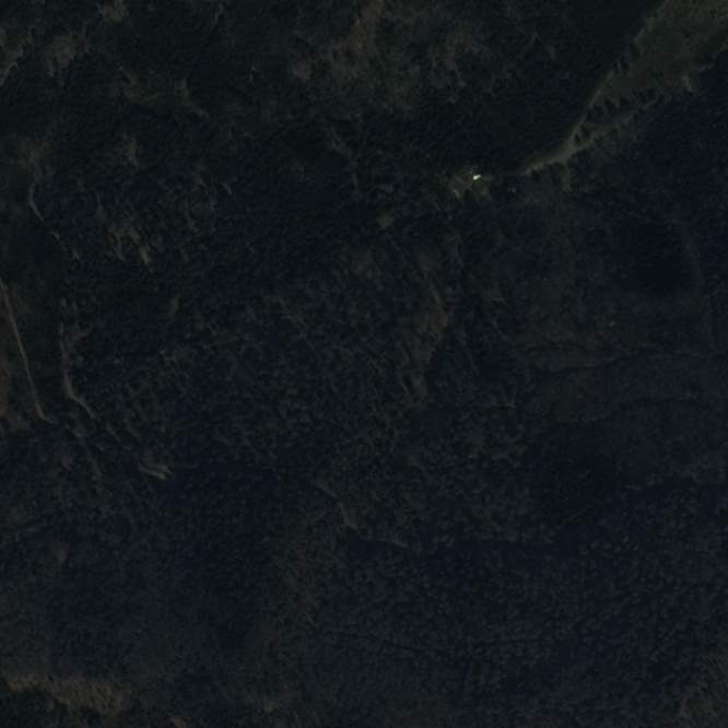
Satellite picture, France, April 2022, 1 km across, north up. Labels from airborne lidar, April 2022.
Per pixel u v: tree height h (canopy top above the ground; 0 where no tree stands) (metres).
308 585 35
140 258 32
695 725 17
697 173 21
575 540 11
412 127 23
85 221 36
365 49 15
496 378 15
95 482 39
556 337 15
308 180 23
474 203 13
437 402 9
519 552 18
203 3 23
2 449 37
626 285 17
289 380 38
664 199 26
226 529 37
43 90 23
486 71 21
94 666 20
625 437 14
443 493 34
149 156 31
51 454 29
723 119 20
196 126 27
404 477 31
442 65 14
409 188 25
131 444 30
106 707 6
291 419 35
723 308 23
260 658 28
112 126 22
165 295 19
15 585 26
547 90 23
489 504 37
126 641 23
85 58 21
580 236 18
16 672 14
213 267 20
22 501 26
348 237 13
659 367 16
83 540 40
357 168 10
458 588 36
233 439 35
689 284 17
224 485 32
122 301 22
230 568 33
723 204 25
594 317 13
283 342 41
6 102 29
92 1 22
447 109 24
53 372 13
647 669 23
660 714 16
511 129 23
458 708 30
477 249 14
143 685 11
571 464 12
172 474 0
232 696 15
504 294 15
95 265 26
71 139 27
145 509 39
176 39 23
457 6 20
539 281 17
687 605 18
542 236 21
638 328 14
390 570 38
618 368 14
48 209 33
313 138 13
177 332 39
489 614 33
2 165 23
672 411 17
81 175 27
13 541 31
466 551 44
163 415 33
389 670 34
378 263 18
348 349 36
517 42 20
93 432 35
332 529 33
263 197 33
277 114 26
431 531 13
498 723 9
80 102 27
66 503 29
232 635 31
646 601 6
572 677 32
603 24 16
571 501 12
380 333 44
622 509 20
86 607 24
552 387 18
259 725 20
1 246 18
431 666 31
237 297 30
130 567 30
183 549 31
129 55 26
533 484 13
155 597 32
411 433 26
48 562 29
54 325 12
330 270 10
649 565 31
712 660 7
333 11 21
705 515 17
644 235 17
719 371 19
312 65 18
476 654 21
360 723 17
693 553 21
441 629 34
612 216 19
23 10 22
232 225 36
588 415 16
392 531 29
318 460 38
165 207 35
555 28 18
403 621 35
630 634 26
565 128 23
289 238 27
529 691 16
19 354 13
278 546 32
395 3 16
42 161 17
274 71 23
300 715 16
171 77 25
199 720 20
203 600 30
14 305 15
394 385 10
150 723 10
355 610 37
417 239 12
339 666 32
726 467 19
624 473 15
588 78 23
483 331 8
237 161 26
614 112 21
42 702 26
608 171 15
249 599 26
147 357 41
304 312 38
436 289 19
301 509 31
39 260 14
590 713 15
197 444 39
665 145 28
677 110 25
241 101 25
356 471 38
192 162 17
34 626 30
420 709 20
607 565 23
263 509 37
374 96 18
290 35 21
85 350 14
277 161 23
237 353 11
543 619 9
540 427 13
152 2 25
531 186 22
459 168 16
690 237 21
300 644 35
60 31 17
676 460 15
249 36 24
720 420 25
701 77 19
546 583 39
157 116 25
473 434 37
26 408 15
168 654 27
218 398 37
